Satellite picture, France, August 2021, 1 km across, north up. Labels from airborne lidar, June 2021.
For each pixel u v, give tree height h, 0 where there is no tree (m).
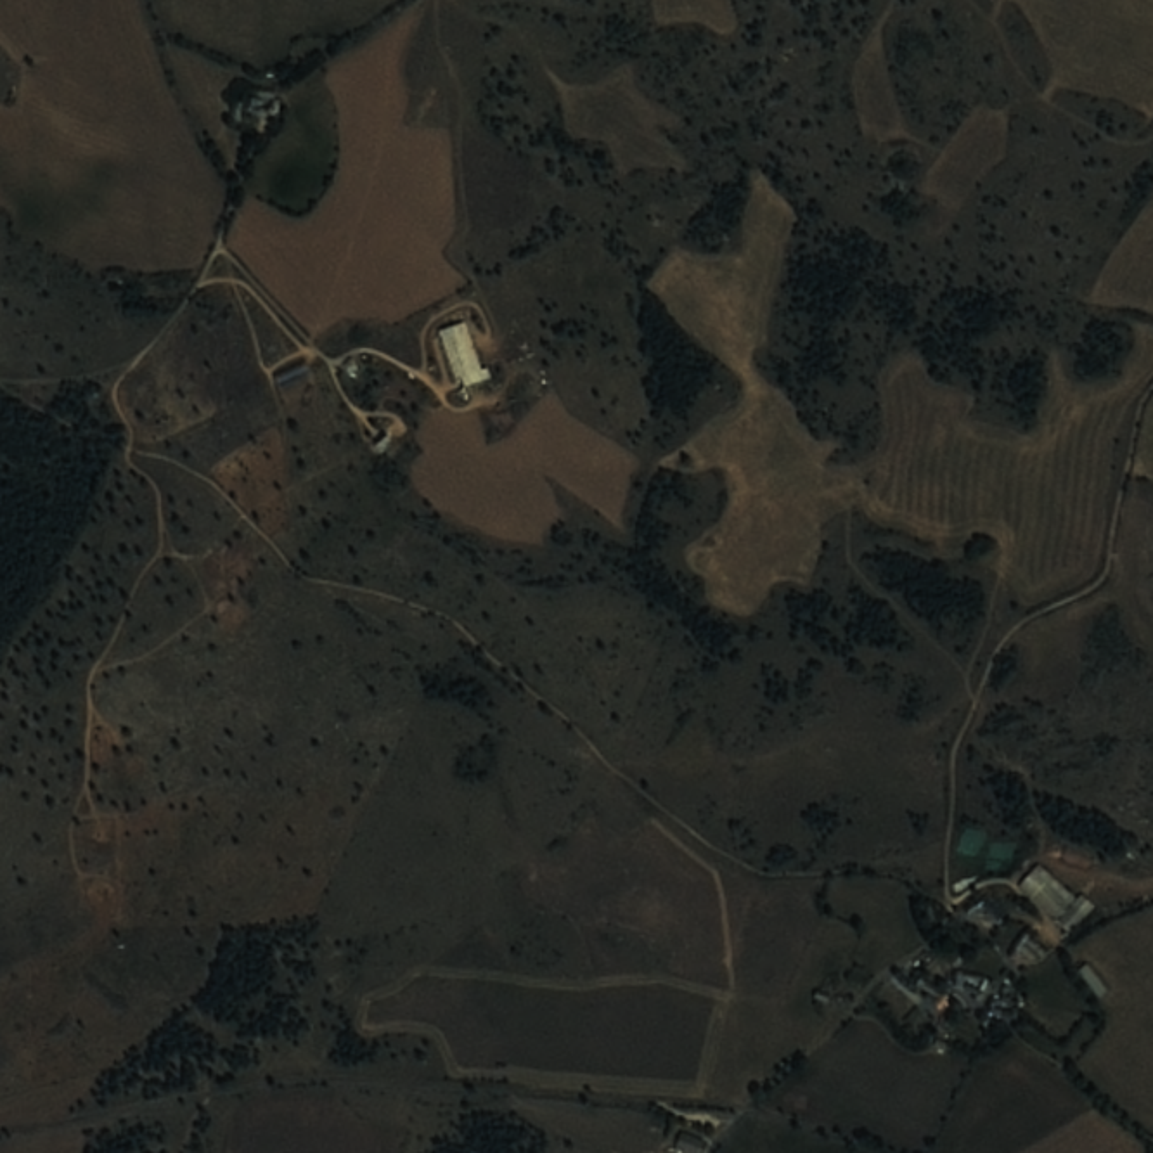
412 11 0
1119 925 0
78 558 0
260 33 0
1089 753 0
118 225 0
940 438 0
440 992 0
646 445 0
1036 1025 7
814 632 10
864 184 0
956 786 0
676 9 0
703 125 0
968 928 7
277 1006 6
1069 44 0
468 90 0
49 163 0
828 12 0
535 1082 0
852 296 8
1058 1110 0
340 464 0
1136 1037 0
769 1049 0
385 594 0
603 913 0
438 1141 9
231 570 0
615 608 0
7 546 9
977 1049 7
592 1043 0
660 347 12
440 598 0
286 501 0
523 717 0
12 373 0
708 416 0
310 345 0
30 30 0
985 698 0
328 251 0
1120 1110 10
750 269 0
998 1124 0
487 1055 0
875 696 0
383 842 0
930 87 0
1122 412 0
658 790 0
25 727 11
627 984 0
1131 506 0
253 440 10
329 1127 0
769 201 0
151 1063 10
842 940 0
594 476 0
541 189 0
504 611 0
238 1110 0
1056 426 0
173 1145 0
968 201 0
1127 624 0
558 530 9
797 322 6
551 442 0
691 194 0
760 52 0
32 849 0
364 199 0
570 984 0
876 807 0
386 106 0
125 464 0
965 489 0
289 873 0
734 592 0
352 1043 9
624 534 0
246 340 0
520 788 0
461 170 0
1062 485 0
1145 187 10
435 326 0
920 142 0
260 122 0
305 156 0
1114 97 0
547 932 0
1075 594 0
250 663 0
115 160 0
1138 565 0
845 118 0
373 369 7
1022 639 0
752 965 0
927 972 13
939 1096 0
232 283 0
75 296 0
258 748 0
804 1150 0
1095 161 8
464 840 0
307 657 0
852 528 0
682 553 0
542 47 0
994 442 0
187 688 0
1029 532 0
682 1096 0
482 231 0
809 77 0
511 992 0
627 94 0
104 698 0
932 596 9
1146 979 0
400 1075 0
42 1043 0
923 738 0
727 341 0
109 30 0
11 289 0
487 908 0
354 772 0
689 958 0
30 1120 0
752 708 0
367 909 0
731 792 0
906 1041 6
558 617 0
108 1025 0
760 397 0
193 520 0
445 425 0
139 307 10
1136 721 0
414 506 0
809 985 0
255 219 0
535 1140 7
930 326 9
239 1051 8
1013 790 13
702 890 0
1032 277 0
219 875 0
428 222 0
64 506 7
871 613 9
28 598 12
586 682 0
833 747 0
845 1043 0
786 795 0
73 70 0
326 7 0
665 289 0
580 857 0
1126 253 0
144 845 0
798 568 0
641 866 0
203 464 0
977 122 0
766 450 0
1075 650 0
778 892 0
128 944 0
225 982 10
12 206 0
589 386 0
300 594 0
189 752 0
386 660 0
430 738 0
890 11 0
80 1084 0
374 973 0
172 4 0
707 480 0
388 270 0
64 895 0
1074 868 0
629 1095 0
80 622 0
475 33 0
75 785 0
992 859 0
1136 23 0
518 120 7
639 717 0
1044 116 0
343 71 0
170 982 0
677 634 0
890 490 0
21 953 0
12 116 0
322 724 0
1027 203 0
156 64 0
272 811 0
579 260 0
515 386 0
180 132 0
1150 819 0
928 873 0
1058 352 0
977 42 0
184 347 0
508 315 0
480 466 0
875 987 0
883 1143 14
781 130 0
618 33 7
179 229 0
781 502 0
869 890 0
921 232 0
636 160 0
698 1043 0
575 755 0
